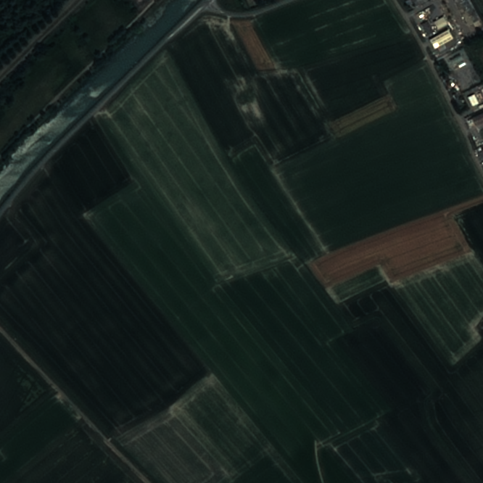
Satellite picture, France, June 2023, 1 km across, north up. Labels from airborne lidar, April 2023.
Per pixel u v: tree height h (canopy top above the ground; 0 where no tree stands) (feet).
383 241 0
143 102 0
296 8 0
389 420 0
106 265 0
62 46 0
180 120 0
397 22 0
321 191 0
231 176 0
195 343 0
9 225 0
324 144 0
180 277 0
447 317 0
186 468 0
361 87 0
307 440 0
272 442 0
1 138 0
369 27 0
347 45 0
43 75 0
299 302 0
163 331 0
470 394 0
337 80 0
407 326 0
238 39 0
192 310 0
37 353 0
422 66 0
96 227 0
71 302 0
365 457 0
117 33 43
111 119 0
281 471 0
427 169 0
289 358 0
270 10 0
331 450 0
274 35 0
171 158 0
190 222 0
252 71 0
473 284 0
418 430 0
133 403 0
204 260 0
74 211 0
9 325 0
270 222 0
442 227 0
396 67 0
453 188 0
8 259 0
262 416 0
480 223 0
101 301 0
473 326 0
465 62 0
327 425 0
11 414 0
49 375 0
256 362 0
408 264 0
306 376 0
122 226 0
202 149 0
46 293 0
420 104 0
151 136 0
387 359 0
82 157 0
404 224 0
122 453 0
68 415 0
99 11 0
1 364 0
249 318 0
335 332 0
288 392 0
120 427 0
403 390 0
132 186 0
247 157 0
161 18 0
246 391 0
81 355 0
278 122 0
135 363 0
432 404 0
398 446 0
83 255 0
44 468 0
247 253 0
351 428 0
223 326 0
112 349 0
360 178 0
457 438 0
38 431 0
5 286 0
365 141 0
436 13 0
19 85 34
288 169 0
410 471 0
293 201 0
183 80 0
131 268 0
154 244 0
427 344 0
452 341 0
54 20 0
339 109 0
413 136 0
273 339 0
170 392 0
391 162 0
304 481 0
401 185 0
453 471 0
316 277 0
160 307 0
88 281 0
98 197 0
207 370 0
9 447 0
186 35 0
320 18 0
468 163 0
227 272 0
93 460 0
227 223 0
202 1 0
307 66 0
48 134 0
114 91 0
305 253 0
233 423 0
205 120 0
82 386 0
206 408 0
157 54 0
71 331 0
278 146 0
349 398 0
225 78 0
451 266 0
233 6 0
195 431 0
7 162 0
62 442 0
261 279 0
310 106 0
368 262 0
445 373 0
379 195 0
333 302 0
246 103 0
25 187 0
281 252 0
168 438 0
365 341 0
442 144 0
